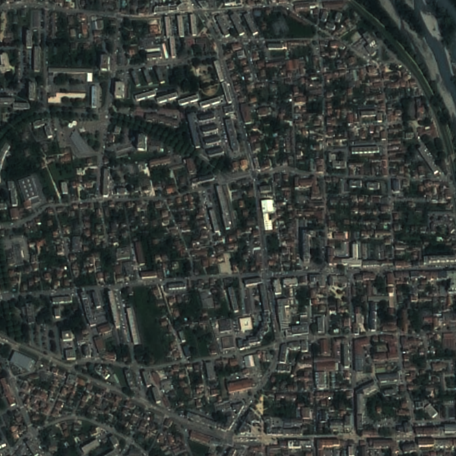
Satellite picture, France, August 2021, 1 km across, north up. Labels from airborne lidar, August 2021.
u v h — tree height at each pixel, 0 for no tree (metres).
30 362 0
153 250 9
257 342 0
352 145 0
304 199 0
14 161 8
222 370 9
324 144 0
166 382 0
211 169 17
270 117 13
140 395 0
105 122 0
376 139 8
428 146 13
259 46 8
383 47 0
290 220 8
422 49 0
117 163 7
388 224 9
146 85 0
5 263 17
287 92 6
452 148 0
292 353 6
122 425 7
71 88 0
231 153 0
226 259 0
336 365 0
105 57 0
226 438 0
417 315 15
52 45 17
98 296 0
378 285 19
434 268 0
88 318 0
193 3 0
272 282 0
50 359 0
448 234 12
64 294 0
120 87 0
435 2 13
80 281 7
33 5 0
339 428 0
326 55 7
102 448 8
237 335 0
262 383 0
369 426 6
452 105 0
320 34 9
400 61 0
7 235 13
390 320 13
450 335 0
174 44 0
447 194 0
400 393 9
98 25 0
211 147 0
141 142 0
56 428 0
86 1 13
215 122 0
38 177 0
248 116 0
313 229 13
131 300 10
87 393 14
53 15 0
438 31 0
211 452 0
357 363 0
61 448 7
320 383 0
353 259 0
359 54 0
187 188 15
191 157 14
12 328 17
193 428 0
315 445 0
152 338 0
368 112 0
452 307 6
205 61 10
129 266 0
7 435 11
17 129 15
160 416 0
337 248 6
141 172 0
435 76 0
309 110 5
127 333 0
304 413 0
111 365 9
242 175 0
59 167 8
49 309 15
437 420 0
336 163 0
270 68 6
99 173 0
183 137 12
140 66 0
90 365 18
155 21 0
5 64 0
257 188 0
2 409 15
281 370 0
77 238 0
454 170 0
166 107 9
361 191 9
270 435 0
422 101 15
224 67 0
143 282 0
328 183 8
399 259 6
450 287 0
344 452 0
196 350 16
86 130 0
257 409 8
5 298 0
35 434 0
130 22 8
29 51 0
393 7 0
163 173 9
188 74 13
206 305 0
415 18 16
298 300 7
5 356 15
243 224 8
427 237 9
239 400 0
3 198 14
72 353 0
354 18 8
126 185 0
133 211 6
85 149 0
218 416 16
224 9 0
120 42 0
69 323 18
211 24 7
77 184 0
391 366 0
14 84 15
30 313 0
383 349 0
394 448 0
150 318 0
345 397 8
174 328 12
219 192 0
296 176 6
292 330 0
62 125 7
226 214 0
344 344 0
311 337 0
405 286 13
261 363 8
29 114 22
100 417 8
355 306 9
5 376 13
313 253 17
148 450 13
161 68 0
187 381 7
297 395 9
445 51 0
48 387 0
